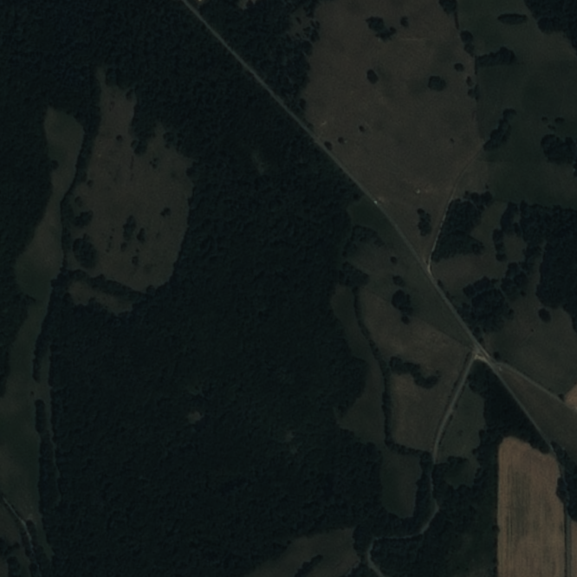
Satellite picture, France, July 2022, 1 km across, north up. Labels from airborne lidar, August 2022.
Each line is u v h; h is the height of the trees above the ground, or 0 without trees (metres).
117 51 16
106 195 0
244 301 17
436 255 7
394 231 0
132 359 17
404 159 0
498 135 14
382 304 0
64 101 14
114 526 24
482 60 7
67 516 15
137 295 8
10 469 0
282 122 18
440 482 19
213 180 8
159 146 0
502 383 11
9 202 22
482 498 14
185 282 20
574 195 0
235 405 13
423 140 0
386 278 0
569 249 21
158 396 16
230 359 17
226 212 19
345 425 0
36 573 16
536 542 0
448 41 0
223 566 19
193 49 16
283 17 15
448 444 0
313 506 19
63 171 0
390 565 21
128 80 9
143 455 14
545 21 18
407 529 18
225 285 15
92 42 17
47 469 17
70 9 15
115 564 17
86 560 16
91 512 22
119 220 0
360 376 15
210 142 10
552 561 0
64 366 18
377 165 0
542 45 0
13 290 18
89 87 8
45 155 18
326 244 21
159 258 0
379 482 18
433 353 0
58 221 0
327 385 11
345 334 8
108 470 21
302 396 12
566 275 19
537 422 0
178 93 14
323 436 12
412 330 0
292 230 17
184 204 0
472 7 0
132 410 12
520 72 0
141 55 11
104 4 12
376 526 18
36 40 15
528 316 0
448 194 0
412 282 0
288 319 16
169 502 16
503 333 0
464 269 0
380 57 0
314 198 10
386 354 0
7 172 20
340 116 0
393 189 0
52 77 14
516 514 0
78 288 0
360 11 0
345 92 0
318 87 0
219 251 21
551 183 0
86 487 18
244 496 20
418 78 0
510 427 11
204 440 19
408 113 0
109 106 0
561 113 0
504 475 0
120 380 16
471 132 0
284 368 22
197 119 11
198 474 19
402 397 0
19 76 20
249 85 8
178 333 17
